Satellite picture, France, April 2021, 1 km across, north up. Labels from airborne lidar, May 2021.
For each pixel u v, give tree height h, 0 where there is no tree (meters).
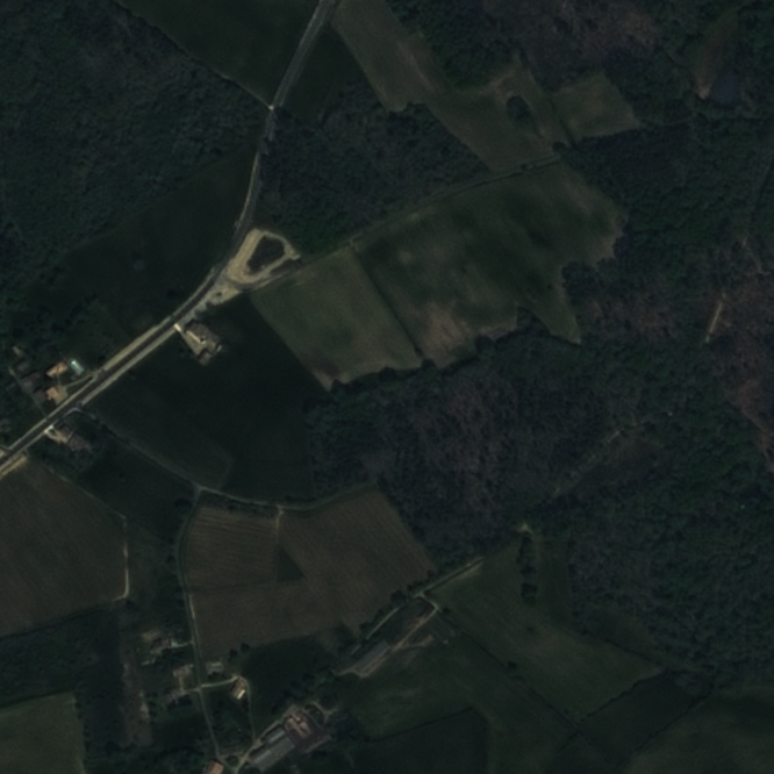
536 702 0
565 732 0
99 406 0
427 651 0
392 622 0
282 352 0
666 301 14
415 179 13
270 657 0
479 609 0
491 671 0
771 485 22
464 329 0
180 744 0
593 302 12
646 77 26
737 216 19
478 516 8
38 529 0
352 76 0
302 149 23
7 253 13
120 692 0
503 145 0
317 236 18
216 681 9
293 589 0
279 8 0
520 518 13
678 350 18
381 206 15
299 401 0
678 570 21
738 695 10
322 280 0
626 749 0
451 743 0
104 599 0
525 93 0
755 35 20
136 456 0
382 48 0
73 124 16
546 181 0
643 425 14
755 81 18
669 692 0
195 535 0
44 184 14
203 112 11
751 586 14
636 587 14
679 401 9
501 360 11
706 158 22
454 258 0
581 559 12
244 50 0
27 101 12
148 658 0
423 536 16
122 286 0
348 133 11
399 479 13
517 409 13
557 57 6
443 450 8
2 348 11
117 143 9
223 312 0
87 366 0
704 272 14
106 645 0
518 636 0
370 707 0
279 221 17
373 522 0
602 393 8
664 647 19
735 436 27
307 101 0
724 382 10
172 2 0
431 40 18
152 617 0
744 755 0
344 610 0
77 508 0
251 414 0
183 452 0
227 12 0
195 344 0
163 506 0
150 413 0
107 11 13
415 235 0
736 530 21
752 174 14
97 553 0
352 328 0
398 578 0
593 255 0
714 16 16
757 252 20
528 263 0
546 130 0
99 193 8
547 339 16
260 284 0
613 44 11
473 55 22
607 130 0
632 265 25
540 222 0
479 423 10
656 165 19
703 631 15
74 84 18
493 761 0
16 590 0
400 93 0
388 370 0
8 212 10
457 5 26
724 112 17
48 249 15
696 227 24
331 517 0
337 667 9
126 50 15
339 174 22
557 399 14
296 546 0
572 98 0
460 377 13
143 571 0
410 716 0
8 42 9
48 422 0
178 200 0
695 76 15
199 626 0
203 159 10
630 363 20
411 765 0
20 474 0
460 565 15
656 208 23
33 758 0
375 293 0
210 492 0
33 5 8
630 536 14
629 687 0
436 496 9
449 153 14
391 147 12
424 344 0
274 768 0
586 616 11
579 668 0
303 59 0
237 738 14
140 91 7
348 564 0
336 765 0
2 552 0
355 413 15
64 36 18
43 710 0
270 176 16
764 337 12
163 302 0
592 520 23
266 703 0
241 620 0
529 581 16
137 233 0
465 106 0
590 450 14
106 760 12
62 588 0
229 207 0
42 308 0
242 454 0
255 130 0
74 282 0
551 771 0
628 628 0
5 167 7
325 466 11
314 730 0
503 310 0
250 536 0
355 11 0
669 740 0
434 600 7
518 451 7
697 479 24
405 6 11
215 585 0
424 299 0
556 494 13
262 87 0
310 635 0
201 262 0
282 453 0
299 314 0
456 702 0
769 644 15
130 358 0
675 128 13
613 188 24
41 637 8
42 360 10
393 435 9
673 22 14
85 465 16
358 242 0
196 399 0
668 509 13
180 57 12
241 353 0
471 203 0
